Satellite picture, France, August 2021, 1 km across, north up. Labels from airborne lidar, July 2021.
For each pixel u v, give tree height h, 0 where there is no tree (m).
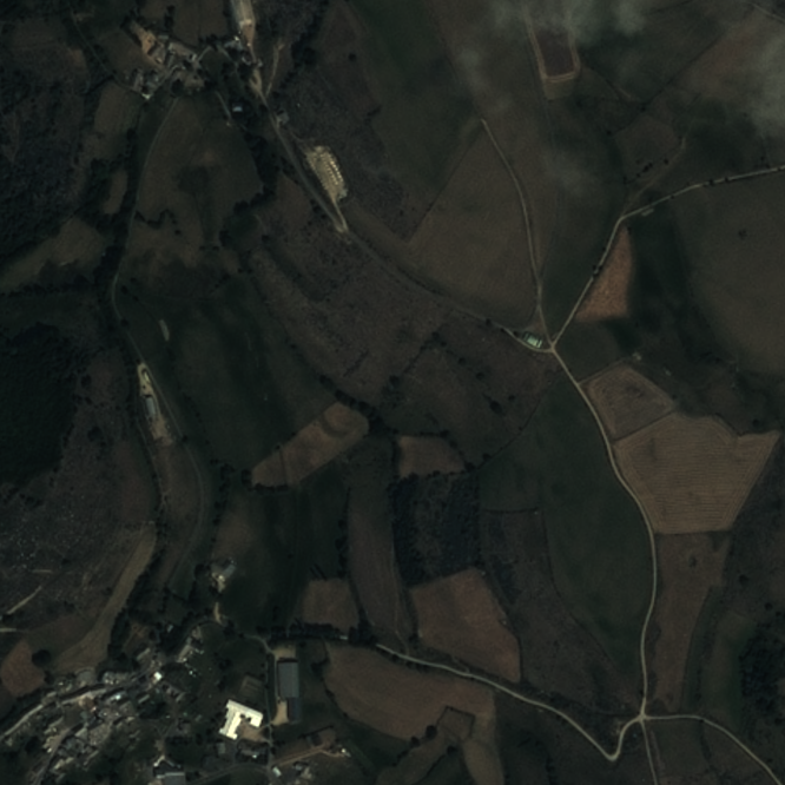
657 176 0
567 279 0
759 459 0
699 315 0
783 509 0
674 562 0
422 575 14
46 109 0
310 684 0
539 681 0
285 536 0
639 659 0
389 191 0
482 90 0
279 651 0
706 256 0
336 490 0
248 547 0
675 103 0
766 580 0
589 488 0
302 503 0
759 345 0
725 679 0
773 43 0
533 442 0
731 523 0
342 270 0
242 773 0
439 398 0
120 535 0
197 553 0
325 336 0
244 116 19
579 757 0
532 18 0
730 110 0
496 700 0
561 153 0
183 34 0
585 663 0
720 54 0
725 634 0
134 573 0
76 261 0
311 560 0
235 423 0
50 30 0
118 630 14
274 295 0
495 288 0
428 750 0
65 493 0
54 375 7
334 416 0
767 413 0
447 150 0
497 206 0
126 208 12
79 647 0
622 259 0
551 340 0
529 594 0
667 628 0
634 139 0
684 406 0
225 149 0
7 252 17
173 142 0
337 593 0
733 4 0
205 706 0
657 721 0
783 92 0
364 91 0
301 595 0
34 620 0
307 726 0
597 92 0
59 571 0
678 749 0
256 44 0
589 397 0
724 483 0
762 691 25
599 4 0
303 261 0
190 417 0
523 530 0
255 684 0
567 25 0
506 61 0
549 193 0
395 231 0
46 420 17
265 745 7
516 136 0
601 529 0
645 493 0
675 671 0
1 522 0
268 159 20
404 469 0
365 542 0
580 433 0
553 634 0
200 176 0
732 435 0
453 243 0
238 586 0
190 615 8
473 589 0
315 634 13
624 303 0
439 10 0
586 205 0
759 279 0
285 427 0
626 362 0
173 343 0
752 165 0
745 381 0
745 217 0
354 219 0
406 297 0
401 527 16
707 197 0
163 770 0
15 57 0
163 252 0
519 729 0
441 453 0
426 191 0
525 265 0
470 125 0
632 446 0
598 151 0
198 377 0
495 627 0
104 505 0
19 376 21
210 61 0
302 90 0
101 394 0
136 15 13
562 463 0
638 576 0
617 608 0
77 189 0
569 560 0
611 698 0
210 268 0
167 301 0
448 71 0
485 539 0
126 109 0
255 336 0
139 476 0
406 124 0
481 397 0
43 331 20
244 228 0
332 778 0
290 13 0
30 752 17
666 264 0
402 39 0
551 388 0
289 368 0
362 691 0
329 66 0
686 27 0
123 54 0
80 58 0
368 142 0
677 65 0
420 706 0
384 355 0
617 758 0
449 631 0
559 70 0
